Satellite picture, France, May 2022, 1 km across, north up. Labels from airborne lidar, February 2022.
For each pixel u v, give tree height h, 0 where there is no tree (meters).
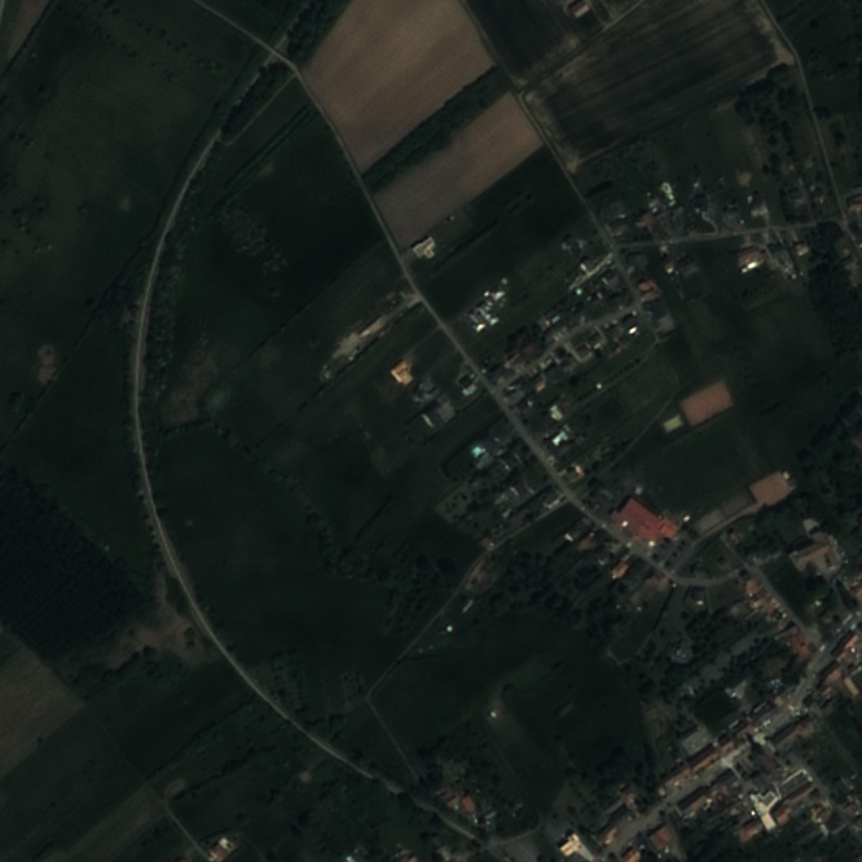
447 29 0
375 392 0
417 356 0
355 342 0
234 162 0
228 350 0
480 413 0
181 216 6
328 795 6
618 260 0
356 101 0
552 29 0
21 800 0
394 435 0
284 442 0
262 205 0
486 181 0
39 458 0
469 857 0
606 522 0
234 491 0
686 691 0
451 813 13
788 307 0
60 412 0
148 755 0
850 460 21
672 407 0
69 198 0
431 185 0
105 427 0
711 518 0
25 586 35
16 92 0
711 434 0
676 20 0
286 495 0
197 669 0
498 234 0
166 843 0
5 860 0
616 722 0
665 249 0
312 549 0
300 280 0
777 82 14
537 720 0
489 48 0
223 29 0
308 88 0
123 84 0
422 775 0
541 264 0
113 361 0
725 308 0
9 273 0
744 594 0
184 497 0
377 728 0
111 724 0
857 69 6
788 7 0
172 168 0
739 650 0
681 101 0
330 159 0
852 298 14
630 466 0
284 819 0
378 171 7
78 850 0
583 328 0
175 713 0
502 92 0
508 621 0
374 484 0
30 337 0
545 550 0
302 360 0
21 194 0
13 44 0
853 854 0
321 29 15
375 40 0
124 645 0
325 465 0
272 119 0
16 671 0
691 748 0
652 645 10
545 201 0
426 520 0
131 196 0
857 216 0
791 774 0
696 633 12
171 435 6
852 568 0
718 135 0
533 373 0
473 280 0
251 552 0
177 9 0
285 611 0
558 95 0
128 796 0
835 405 0
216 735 9
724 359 0
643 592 0
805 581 0
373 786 6
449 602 0
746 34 0
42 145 0
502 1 0
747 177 0
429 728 0
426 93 0
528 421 9
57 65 0
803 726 0
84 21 5
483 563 0
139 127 0
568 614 19
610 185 11
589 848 0
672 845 0
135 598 24
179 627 0
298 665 7
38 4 0
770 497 0
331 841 7
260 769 0
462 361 0
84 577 35
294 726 8
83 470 0
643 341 0
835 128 0
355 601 0
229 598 0
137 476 8
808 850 13
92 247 0
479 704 0
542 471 0
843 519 11
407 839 0
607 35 0
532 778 0
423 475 0
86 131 0
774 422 0
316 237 0
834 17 0
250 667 7
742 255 0
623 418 0
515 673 0
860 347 8
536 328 7
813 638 0
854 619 0
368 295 0
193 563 0
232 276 0
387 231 0
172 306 6
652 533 0
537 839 0
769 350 0
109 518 0
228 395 0
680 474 0
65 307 0
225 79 0
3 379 0
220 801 0
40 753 0
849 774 0
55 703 0
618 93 0
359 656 0
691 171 0
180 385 0
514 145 0
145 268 6
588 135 0
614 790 15
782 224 0
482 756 0
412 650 0
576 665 0
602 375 0
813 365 0
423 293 0
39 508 32
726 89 0
